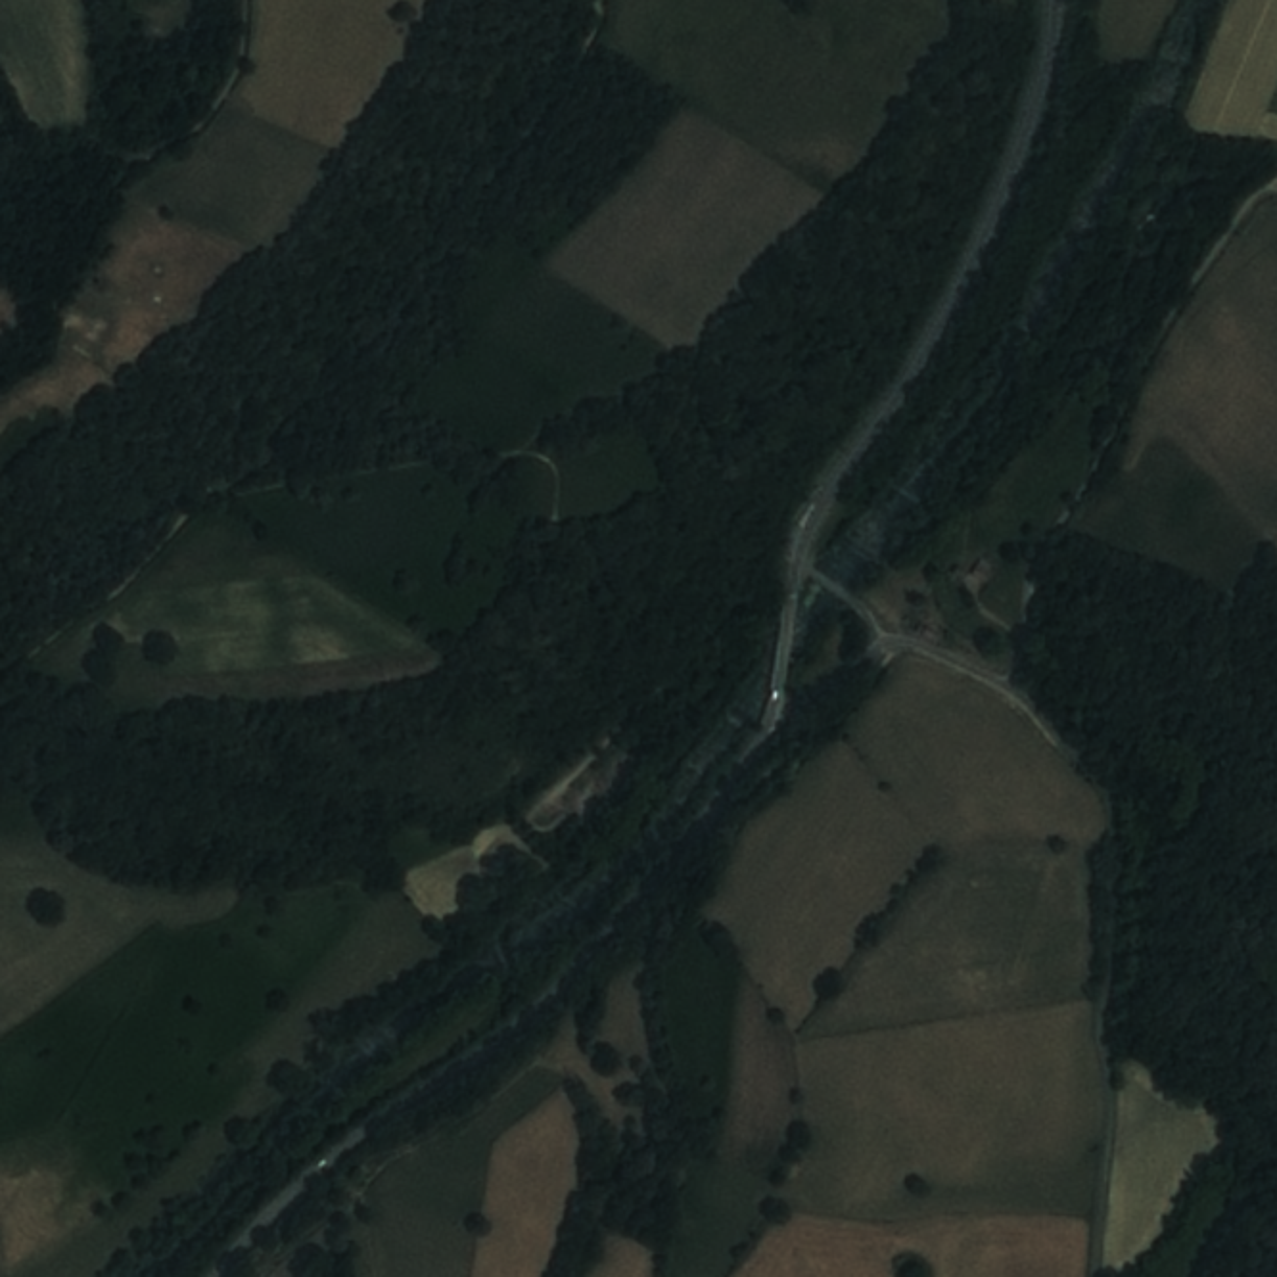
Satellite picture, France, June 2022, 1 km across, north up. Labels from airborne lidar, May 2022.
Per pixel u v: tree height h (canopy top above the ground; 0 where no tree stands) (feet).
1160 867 74
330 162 37
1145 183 43
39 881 0
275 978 0
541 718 63
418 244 56
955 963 0
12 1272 0
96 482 80
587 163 66
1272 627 50
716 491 71
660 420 58
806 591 0
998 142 22
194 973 0
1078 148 76
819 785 0
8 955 0
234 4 41
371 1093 52
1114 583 54
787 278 66
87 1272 0
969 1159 0
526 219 50
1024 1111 0
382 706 60
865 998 0
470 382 0
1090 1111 0
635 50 0
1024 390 60
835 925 0
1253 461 0
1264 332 0
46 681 36
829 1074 0
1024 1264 0
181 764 72
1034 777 0
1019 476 0
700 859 86
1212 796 80
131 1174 53
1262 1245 23
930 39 0
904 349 26
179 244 0
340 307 22
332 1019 58
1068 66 60
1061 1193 0
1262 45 0
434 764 0
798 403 76
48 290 58
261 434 51
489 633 69
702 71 0
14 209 47
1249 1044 57
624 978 0
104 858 70
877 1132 0
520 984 66
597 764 25
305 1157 40
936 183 70
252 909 0
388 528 0
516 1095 0
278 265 70
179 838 70
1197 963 44
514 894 100
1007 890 0
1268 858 52
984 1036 0
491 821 40
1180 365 0
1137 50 0
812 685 0
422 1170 0
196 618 0
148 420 58
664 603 58
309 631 0
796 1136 52
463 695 56
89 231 62
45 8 0
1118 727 84
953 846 0
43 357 37
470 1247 0
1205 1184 61
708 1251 0
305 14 0
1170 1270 0
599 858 73
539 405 0
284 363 53
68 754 108
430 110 68
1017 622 0
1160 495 0
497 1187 0
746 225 0
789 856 0
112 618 0
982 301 80
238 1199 24
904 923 0
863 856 0
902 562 87
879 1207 0
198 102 60
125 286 0
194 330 44
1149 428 0
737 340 74
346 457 62
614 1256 0
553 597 69
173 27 0
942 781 0
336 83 0
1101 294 55
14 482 61
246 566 0
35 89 0
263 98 0
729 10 0
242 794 87
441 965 62
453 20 59
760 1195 0
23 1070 0
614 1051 54
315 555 0
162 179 0
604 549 80
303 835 39
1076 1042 0
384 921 0
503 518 0
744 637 79
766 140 0
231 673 0
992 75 69
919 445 22
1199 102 0
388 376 42
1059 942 0
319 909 0
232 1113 0
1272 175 38
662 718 26
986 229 0
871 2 0
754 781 48
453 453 47
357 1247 42
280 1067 51
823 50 0
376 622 0
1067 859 0
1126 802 64
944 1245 0
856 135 0
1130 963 91
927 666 0
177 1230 46
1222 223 48
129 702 0
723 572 66
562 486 0
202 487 59
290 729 31
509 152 65
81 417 41
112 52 62
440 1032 60
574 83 72
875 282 88
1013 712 0
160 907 0
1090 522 0
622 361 0
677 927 54
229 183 0
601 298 0
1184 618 41
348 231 49
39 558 41
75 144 24
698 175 0
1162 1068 51
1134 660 19
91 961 0
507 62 61
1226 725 58
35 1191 0
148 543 55
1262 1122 56
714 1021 0
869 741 0
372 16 0
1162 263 49
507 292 0
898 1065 0
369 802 29
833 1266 0
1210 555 0
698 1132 50
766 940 0
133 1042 0
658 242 0
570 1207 49
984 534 0
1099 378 103
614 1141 74
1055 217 70
